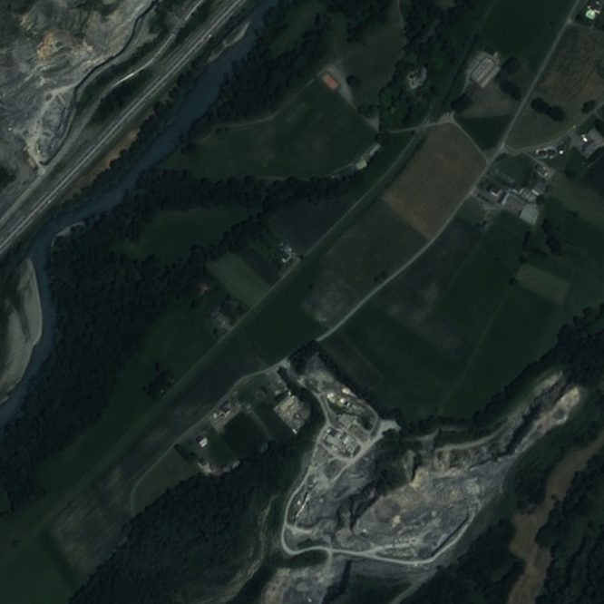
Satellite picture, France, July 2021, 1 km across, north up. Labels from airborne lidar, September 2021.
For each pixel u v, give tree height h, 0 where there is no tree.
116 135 0
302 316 0
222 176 0
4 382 0
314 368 0
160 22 12
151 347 0
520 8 0
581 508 20
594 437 17
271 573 16
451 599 17
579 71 0
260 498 6
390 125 6
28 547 0
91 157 0
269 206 19
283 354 0
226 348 0
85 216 0
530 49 0
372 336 0
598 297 0
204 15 6
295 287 0
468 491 0
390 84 9
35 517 0
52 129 0
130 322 13
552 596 9
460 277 0
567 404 0
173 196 28
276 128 0
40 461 19
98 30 0
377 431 0
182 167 0
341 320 0
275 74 37
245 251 16
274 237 7
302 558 6
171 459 0
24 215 0
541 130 0
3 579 0
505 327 0
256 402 0
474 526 0
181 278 20
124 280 11
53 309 0
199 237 0
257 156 0
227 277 0
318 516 0
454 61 12
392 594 8
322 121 0
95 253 16
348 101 0
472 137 0
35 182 0
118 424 0
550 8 0
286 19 20
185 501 19
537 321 0
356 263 0
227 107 16
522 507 13
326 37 29
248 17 0
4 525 0
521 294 0
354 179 22
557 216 0
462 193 0
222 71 0
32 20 0
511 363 0
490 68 0
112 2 0
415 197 0
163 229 0
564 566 13
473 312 0
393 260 0
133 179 0
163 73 0
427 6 33
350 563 0
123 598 9
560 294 0
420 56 15
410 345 0
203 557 0
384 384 0
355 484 0
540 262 0
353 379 18
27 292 0
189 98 0
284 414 0
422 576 0
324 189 32
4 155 0
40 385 29
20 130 0
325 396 0
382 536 0
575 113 0
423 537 0
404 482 0
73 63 0
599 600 28
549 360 20
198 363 0
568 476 0
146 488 0
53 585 0
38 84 0
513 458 0
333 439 0
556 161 0
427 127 0
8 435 20
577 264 0
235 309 16
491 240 0
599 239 0
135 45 0
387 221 0
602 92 0
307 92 0
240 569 8
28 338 0
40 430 19
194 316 0
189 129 0
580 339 12
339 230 0
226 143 0
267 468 18
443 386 0
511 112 0
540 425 0
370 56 0
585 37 0
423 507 0
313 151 0
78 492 0
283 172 0
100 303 19
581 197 0
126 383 0
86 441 0
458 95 0
